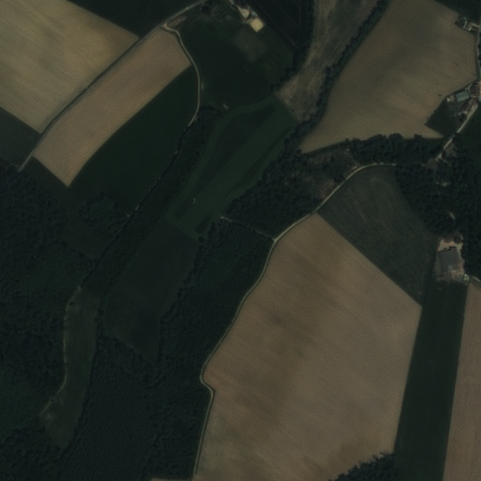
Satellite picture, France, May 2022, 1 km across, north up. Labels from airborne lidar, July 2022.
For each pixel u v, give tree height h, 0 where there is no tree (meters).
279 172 32
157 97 0
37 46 0
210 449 0
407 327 0
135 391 29
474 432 0
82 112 0
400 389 0
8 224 27
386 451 0
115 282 17
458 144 17
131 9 0
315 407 0
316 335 0
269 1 0
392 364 0
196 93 0
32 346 31
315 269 0
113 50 0
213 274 21
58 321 28
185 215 0
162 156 0
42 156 0
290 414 0
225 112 0
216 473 0
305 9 0
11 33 0
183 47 0
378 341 0
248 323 0
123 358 32
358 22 0
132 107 0
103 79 0
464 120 6
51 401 11
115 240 10
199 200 0
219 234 9
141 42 0
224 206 0
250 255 15
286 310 0
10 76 0
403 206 0
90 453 28
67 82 0
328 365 0
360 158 21
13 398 27
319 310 0
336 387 0
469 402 0
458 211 17
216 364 0
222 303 17
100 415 27
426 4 0
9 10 0
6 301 27
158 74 0
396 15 0
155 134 0
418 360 0
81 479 30
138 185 0
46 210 29
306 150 0
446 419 0
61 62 0
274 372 0
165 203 13
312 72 0
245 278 15
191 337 16
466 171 30
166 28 0
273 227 15
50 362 27
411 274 0
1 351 25
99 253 0
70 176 0
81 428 15
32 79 0
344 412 0
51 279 22
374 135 0
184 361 15
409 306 0
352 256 0
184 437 19
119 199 0
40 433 27
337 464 0
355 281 0
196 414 16
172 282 0
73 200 0
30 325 22
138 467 25
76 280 20
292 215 15
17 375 25
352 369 0
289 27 0
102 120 0
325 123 0
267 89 0
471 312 0
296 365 0
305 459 0
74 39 0
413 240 0
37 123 0
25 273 22
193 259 0
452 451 0
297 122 0
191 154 13
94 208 24
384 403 0
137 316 0
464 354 0
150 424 15
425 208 10
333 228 0
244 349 0
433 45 0
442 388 0
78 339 0
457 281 0
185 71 0
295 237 0
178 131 0
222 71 0
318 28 0
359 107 0
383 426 0
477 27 0
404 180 19
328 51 0
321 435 0
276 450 0
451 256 0
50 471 28
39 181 0
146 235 13
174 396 15
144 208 13
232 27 0
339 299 0
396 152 20
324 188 0
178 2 0
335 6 0
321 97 11
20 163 0
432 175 16
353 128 0
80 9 0
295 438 0
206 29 0
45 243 27
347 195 0
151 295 0
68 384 0
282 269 0
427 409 0
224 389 0
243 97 0
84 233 0
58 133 0
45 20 0
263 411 0
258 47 0
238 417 0
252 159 0
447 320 0
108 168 0
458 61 0
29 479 29
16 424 26
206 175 0
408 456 0
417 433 0
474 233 23
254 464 0
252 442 0
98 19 0
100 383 24
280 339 0
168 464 19
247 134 0
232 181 0
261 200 16
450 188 11
